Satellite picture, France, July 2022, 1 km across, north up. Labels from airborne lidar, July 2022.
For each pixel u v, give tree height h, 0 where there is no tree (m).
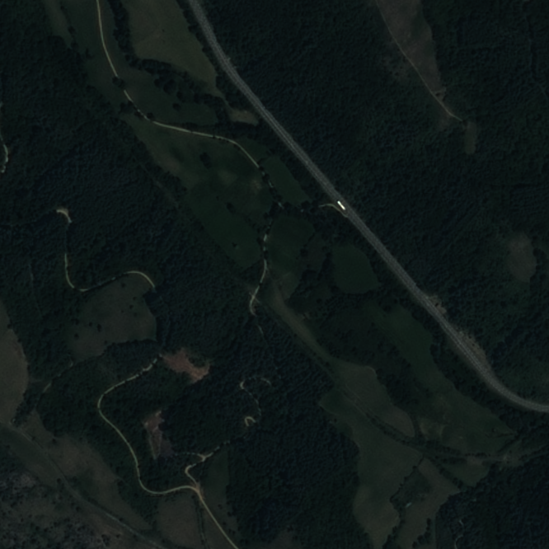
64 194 25
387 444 0
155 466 18
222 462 0
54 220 20
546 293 8
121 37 25
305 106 18
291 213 21
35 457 0
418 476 0
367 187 9
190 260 27
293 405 29
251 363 6
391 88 11
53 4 0
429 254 17
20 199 41
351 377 0
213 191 0
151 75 27
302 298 9
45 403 6
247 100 16
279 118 21
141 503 5
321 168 18
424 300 0
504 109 29
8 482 8
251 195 0
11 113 20
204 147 0
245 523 9
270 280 0
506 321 7
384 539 0
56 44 19
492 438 0
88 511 0
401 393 15
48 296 16
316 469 30
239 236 0
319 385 23
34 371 7
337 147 25
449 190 24
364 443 0
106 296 0
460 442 0
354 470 17
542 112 8
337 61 17
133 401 14
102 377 8
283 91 25
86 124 17
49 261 27
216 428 8
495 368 16
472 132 0
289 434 32
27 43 16
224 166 0
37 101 19
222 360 19
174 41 0
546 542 24
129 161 15
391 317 0
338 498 17
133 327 0
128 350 22
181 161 0
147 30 0
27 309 18
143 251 20
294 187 0
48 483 0
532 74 21
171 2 0
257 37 10
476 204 27
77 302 14
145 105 0
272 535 25
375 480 0
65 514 0
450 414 0
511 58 28
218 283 21
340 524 17
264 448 31
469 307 25
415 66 0
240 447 25
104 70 0
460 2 19
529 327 18
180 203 14
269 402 13
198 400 19
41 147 19
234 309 12
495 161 16
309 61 15
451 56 16
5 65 20
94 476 0
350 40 16
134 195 32
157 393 13
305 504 14
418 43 0
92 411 16
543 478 8
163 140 0
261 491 14
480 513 15
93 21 0
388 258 0
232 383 12
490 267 8
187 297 19
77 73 22
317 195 20
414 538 0
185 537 0
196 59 0
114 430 12
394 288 15
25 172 14
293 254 0
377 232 12
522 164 9
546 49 28
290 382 30
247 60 8
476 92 17
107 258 23
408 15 0
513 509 17
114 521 0
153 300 31
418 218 26
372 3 0
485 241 11
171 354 30
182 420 26
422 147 7
